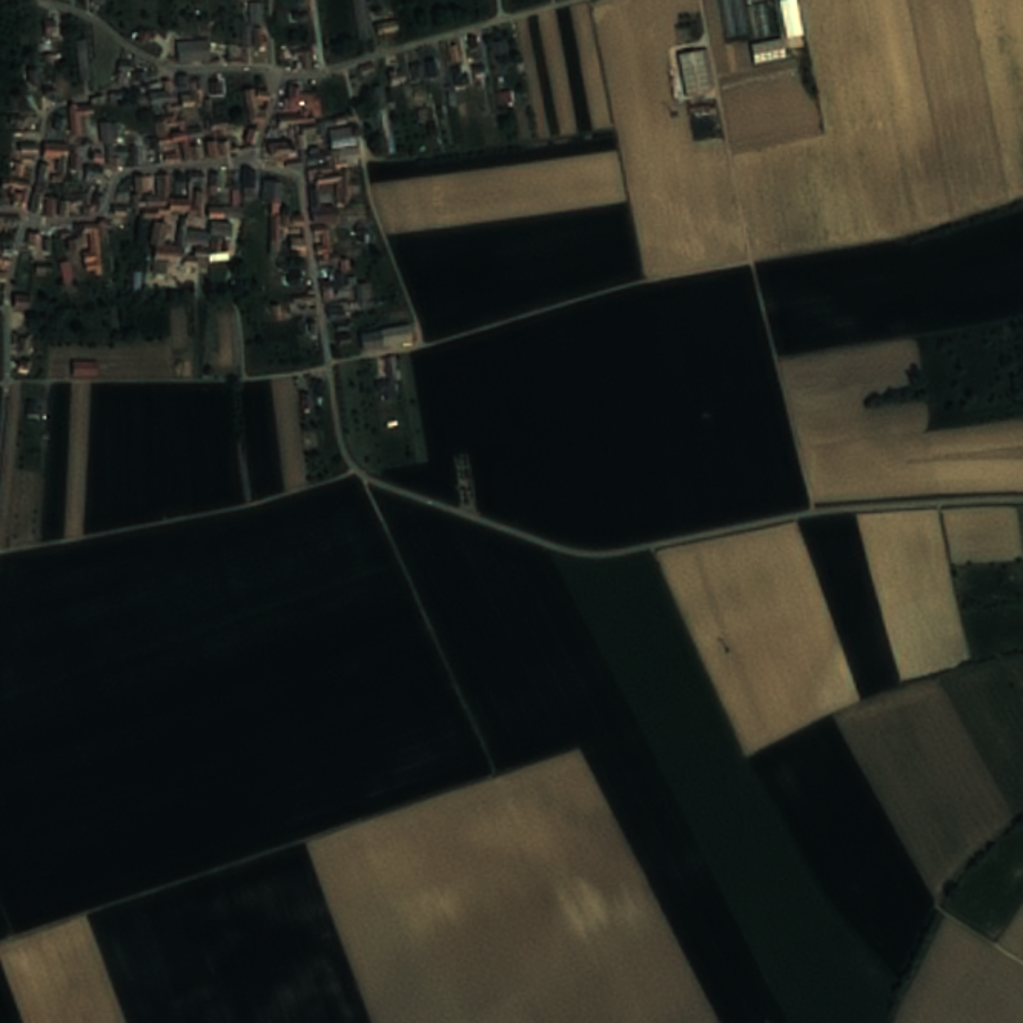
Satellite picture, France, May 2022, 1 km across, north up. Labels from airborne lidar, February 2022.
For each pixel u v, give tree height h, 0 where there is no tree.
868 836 0
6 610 0
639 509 0
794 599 0
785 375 0
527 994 0
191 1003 0
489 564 0
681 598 0
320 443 0
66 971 0
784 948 0
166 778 0
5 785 0
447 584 0
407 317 0
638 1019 0
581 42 0
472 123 0
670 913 0
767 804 0
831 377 0
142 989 0
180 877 0
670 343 0
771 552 0
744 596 0
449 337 0
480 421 0
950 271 0
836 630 0
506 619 0
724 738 0
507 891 0
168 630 0
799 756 0
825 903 0
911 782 0
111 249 6
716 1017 0
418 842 0
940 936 0
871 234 0
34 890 0
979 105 0
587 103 0
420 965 0
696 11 0
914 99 0
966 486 0
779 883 0
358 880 0
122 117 0
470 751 0
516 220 0
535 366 0
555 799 0
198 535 0
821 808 0
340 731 0
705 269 0
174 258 0
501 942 0
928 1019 0
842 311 0
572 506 0
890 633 0
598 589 0
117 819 0
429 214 0
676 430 0
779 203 0
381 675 0
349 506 0
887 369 0
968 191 0
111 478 0
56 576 0
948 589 0
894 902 0
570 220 0
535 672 0
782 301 0
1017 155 0
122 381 0
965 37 0
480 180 0
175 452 0
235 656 0
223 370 0
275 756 0
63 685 0
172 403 0
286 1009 0
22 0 10
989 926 0
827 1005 0
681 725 0
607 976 0
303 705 0
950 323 0
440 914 0
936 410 0
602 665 0
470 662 0
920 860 0
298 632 0
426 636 0
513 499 0
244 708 0
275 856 0
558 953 0
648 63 0
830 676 0
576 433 0
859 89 0
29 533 0
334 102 0
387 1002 0
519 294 0
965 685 0
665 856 0
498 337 0
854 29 0
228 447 0
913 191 0
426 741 0
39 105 0
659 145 0
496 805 0
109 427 0
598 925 0
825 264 0
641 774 0
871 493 0
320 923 0
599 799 0
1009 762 0
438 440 0
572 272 0
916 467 0
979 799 0
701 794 0
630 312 0
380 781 0
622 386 0
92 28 0
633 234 0
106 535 0
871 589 0
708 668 0
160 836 0
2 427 0
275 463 0
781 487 0
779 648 0
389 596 0
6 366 0
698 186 0
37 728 0
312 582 0
